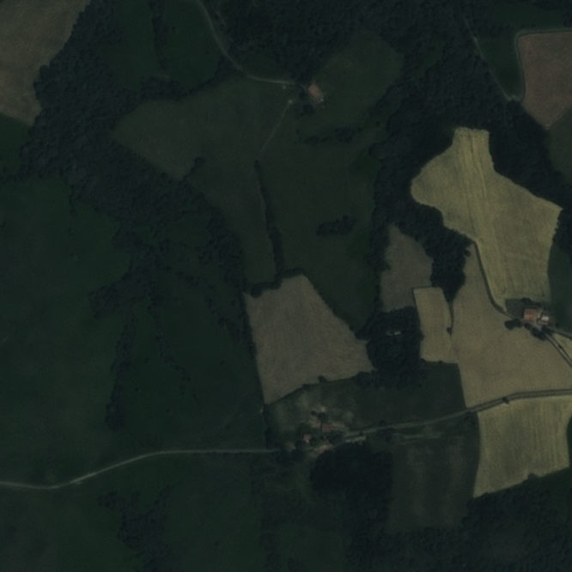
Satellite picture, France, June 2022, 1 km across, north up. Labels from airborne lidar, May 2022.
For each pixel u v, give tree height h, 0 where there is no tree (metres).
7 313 0
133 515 10
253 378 0
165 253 7
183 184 10
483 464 0
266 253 0
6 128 0
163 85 11
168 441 0
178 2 0
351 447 19
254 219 0
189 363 0
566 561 11
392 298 0
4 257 0
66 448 0
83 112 15
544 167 20
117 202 8
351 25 19
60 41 0
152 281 9
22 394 0
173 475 0
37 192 0
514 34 0
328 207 0
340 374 0
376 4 8
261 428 0
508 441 0
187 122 0
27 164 8
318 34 26
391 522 0
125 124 0
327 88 0
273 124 0
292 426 0
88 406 0
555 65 0
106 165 9
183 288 0
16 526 0
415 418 0
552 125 0
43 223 0
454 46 20
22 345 0
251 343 9
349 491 9
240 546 0
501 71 0
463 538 10
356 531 10
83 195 10
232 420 0
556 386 0
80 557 0
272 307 0
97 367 0
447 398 0
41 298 0
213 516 0
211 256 9
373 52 0
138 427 0
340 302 0
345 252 0
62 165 7
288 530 0
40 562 0
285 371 0
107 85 8
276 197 0
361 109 0
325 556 0
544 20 0
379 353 16
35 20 0
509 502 8
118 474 0
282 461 14
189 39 0
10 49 0
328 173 0
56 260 0
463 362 0
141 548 15
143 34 0
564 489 0
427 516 0
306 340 0
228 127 0
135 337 7
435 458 0
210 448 0
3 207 0
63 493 0
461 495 0
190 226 0
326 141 8
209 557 0
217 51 0
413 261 0
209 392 0
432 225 12
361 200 0
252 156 0
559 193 17
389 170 22
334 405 0
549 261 0
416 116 27
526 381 0
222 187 0
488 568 11
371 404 0
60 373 0
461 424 0
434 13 21
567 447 0
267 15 7
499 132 19
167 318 0
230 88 0
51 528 0
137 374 0
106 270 0
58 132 12
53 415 0
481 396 0
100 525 0
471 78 18
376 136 0
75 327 0
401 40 27
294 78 9
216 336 0
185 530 0
